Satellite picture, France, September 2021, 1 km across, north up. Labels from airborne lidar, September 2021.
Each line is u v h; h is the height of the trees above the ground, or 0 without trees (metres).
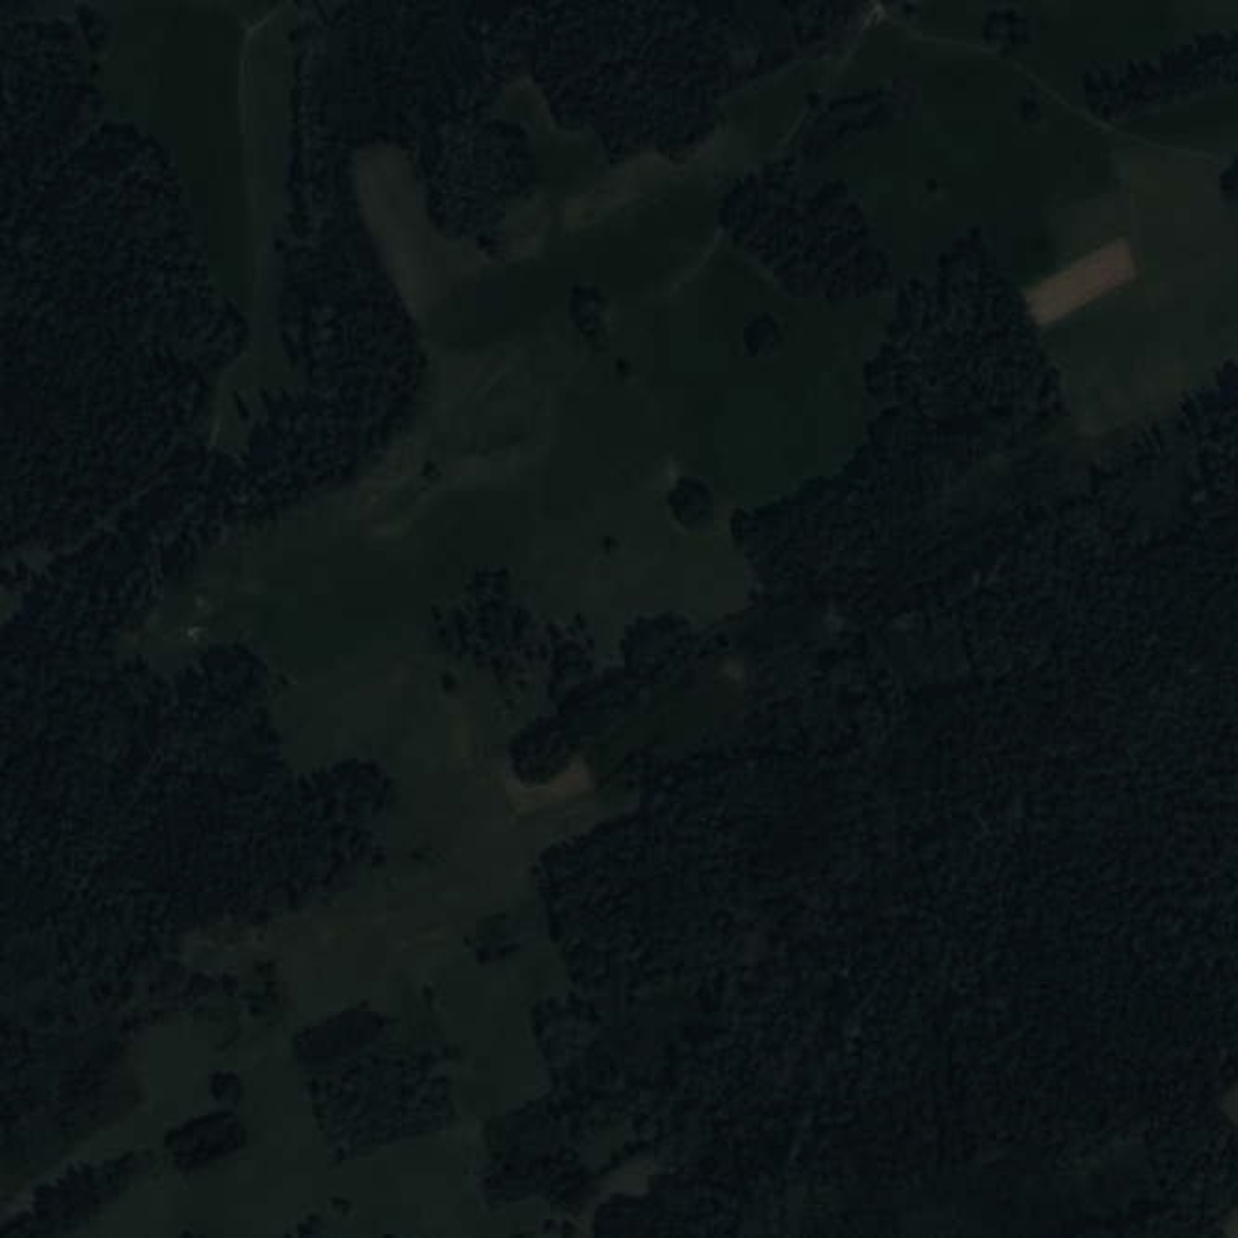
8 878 9
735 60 18
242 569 0
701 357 0
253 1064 0
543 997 0
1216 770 19
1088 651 19
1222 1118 25
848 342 0
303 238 21
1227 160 0
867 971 22
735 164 0
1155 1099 20
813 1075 23
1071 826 21
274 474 27
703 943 22
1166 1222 26
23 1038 8
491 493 0
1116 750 22
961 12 0
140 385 26
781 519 20
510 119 0
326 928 0
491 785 0
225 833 29
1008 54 20
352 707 0
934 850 36
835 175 0
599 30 33
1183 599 24
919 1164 22
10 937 7
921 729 27
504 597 19
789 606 9
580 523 0
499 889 0
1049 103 0
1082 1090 26
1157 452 26
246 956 0
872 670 21
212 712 24
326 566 0
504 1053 0
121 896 19
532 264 0
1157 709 17
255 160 0
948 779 20
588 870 17
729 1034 30
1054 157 0
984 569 5
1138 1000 19
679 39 23
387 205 0
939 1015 12
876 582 8
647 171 0
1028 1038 17
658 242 0
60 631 19
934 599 10
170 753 21
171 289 27
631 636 0
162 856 22
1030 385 29
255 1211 0
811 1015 18
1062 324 0
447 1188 0
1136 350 0
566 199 0
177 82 0
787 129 0
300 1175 0
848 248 19
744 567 0
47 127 22
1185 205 0
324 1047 7
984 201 0
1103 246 0
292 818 29
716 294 0
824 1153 22
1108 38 0
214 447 0
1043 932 30
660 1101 16
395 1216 0
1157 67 0
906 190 0
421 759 0
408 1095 16
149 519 9
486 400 0
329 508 0
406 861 0
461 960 0
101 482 28
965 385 5
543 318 0
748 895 26
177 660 0
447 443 0
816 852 26
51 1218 25
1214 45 0
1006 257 0
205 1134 14
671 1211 22
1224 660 19
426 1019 0
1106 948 21
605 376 0
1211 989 25
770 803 30
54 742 21
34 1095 25
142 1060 0
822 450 0
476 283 0
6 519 18
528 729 0
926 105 0
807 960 20
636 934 23
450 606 0
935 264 0
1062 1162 23
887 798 23
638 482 0
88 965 11
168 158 11
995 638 24
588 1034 20
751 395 0
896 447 19
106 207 26
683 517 24
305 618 0
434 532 0
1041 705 22
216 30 0
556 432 0
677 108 32
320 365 12
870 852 18
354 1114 18
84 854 24
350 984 0
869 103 7
